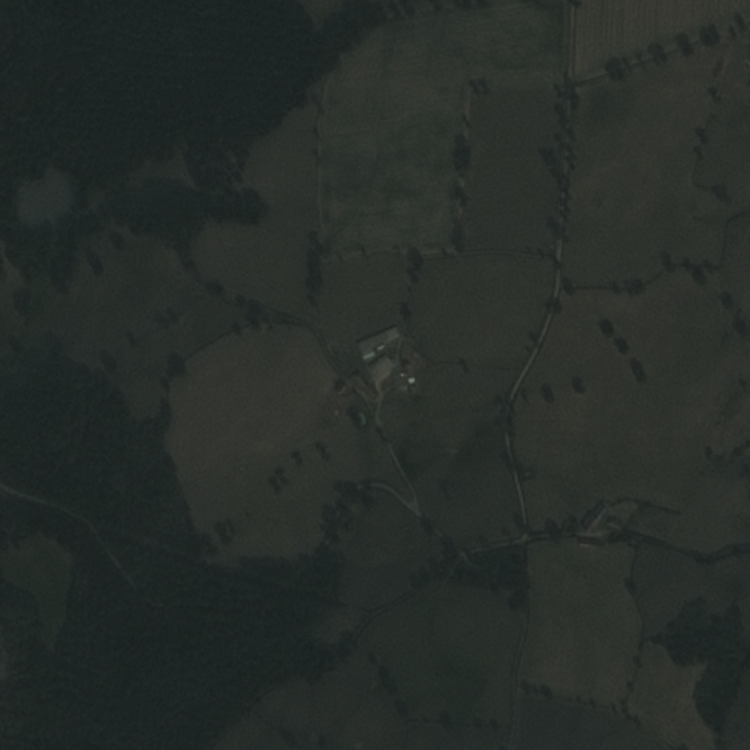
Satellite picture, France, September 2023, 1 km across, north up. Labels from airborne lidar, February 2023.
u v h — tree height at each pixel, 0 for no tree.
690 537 0
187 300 0
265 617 24
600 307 0
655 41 0
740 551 10
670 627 7
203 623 21
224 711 16
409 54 0
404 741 0
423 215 0
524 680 0
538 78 0
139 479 10
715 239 0
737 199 0
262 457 0
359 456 0
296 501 0
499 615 0
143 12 23
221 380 0
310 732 0
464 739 0
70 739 22
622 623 0
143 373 0
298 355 0
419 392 0
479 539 0
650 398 0
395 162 0
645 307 0
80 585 12
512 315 0
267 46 20
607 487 0
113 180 19
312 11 0
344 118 0
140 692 17
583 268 0
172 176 0
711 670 14
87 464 9
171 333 0
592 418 0
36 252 21
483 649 0
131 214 22
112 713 24
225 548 0
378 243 0
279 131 0
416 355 0
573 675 0
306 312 0
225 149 8
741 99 0
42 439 18
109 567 12
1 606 17
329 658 16
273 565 17
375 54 0
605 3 0
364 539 0
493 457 0
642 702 0
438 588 0
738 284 0
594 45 0
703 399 0
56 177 0
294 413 0
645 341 0
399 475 0
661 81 0
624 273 0
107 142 20
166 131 18
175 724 13
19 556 0
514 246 0
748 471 7
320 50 20
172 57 20
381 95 0
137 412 0
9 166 12
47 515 10
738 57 0
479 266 0
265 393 0
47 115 9
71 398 18
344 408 0
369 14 18
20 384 9
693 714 0
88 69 12
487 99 0
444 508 0
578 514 0
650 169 0
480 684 0
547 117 0
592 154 0
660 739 0
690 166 0
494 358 0
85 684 10
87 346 0
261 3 24
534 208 0
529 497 0
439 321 0
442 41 0
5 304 0
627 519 0
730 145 0
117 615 7
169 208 20
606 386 0
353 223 0
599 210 0
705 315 0
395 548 0
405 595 0
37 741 22
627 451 0
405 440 0
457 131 0
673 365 0
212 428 0
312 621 10
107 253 0
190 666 20
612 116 0
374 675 0
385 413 0
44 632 0
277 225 0
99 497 24
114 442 10
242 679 14
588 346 0
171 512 9
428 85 0
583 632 0
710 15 0
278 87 19
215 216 14
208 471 0
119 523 16
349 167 0
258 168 0
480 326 0
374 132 0
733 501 0
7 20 23
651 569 0
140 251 0
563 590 0
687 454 0
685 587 0
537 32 0
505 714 0
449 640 0
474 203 0
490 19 0
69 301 0
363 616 0
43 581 0
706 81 0
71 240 14
